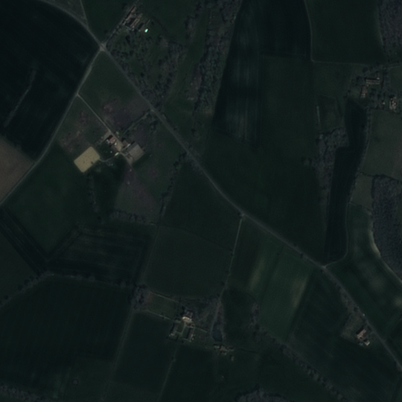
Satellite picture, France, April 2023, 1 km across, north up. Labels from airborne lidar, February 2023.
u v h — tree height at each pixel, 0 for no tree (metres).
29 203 0
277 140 0
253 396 20
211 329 15
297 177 0
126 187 0
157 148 0
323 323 0
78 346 0
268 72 0
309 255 0
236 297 0
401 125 0
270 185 0
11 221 0
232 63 0
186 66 0
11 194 0
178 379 0
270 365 0
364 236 0
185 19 0
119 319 0
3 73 0
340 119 0
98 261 0
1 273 0
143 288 12
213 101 22
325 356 0
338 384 0
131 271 0
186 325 0
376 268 0
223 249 0
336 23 0
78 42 0
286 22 0
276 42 0
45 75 0
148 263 0
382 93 8
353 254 0
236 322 0
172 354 0
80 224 0
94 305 0
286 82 0
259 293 0
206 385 0
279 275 0
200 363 0
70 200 0
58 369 0
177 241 0
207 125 0
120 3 0
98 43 0
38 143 0
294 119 0
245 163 0
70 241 0
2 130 0
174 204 0
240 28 0
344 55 0
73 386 0
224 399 0
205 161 0
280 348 9
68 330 0
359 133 0
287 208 0
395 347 0
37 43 0
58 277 0
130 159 0
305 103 0
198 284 0
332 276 0
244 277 0
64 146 0
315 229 0
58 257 0
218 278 0
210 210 0
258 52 0
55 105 0
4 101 0
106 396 0
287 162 0
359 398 0
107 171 0
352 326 0
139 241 0
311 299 0
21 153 0
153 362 0
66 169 0
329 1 0
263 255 0
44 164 0
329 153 13
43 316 0
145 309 9
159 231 0
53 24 0
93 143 0
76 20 0
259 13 0
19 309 0
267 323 0
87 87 0
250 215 0
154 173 0
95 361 0
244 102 0
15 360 0
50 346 0
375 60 0
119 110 0
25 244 0
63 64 0
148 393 0
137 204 0
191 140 0
